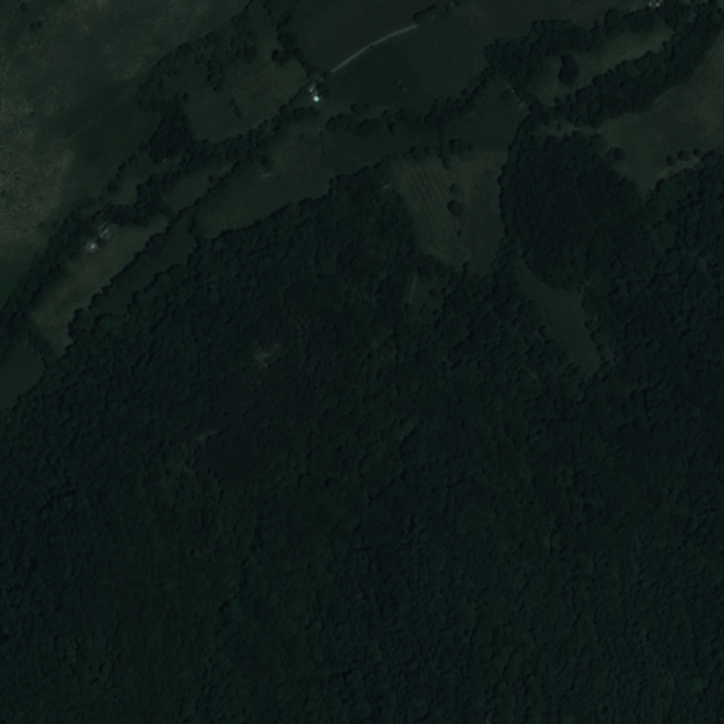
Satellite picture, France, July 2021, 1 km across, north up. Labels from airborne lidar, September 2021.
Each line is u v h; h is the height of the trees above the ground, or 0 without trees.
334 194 23
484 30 0
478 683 28
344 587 26
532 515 27
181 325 19
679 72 27
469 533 22
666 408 29
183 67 15
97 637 19
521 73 21
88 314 17
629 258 21
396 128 27
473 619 20
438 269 15
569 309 0
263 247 17
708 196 20
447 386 25
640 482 26
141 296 20
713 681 24
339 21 0
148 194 28
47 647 26
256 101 0
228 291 17
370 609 24
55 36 0
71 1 0
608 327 21
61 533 25
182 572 19
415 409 20
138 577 23
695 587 17
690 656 27
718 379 25
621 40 0
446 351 13
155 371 22
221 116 0
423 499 24
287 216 21
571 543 29
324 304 28
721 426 19
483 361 17
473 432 23
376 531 30
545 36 21
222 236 9
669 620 23
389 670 22
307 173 0
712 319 15
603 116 20
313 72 16
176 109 23
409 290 10
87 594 19
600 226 15
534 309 21
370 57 0
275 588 22
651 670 26
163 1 0
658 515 29
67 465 24
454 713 22
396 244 15
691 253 28
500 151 0
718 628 19
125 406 21
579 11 0
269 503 22
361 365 21
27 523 21
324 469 23
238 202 0
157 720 20
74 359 19
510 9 0
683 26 18
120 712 21
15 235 0
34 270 8
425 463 23
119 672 20
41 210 0
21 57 0
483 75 10
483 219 0
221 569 18
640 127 0
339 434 24
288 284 20
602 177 26
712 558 11
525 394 17
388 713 25
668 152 0
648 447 22
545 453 26
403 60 0
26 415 14
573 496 19
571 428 22
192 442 9
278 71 0
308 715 19
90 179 0
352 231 25
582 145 19
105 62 0
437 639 24
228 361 21
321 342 16
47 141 0
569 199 21
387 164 9
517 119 0
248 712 20
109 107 0
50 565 23
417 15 12
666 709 25
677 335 19
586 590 26
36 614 21
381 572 19
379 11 0
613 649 22
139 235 0
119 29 0
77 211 8
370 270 10
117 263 0
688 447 22
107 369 18
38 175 0
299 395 17
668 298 27
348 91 0
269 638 18
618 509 28
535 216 17
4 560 31
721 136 0
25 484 17
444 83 0
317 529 27
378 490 22
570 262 9
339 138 0
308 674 24
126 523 19
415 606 23
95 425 21
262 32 0
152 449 23
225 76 14
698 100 0
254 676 19
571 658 30
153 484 19
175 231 20
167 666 18
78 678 19
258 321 20
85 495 21
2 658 28
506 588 21
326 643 21
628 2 0
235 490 16
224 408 20
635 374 17
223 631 17
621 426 18
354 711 21
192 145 20
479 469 24
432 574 22
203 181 0
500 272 14
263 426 20
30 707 23
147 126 0
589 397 29
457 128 0
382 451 25
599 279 13
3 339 19
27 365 0
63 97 0
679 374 28
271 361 12
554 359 19
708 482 24
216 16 0
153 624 24
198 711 25
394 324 19
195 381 17
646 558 21
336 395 15
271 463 19
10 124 0
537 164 18
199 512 11
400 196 15
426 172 0
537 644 24
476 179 0
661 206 28
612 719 25
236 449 22
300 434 19
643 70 19
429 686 21
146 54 0
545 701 27
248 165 10
